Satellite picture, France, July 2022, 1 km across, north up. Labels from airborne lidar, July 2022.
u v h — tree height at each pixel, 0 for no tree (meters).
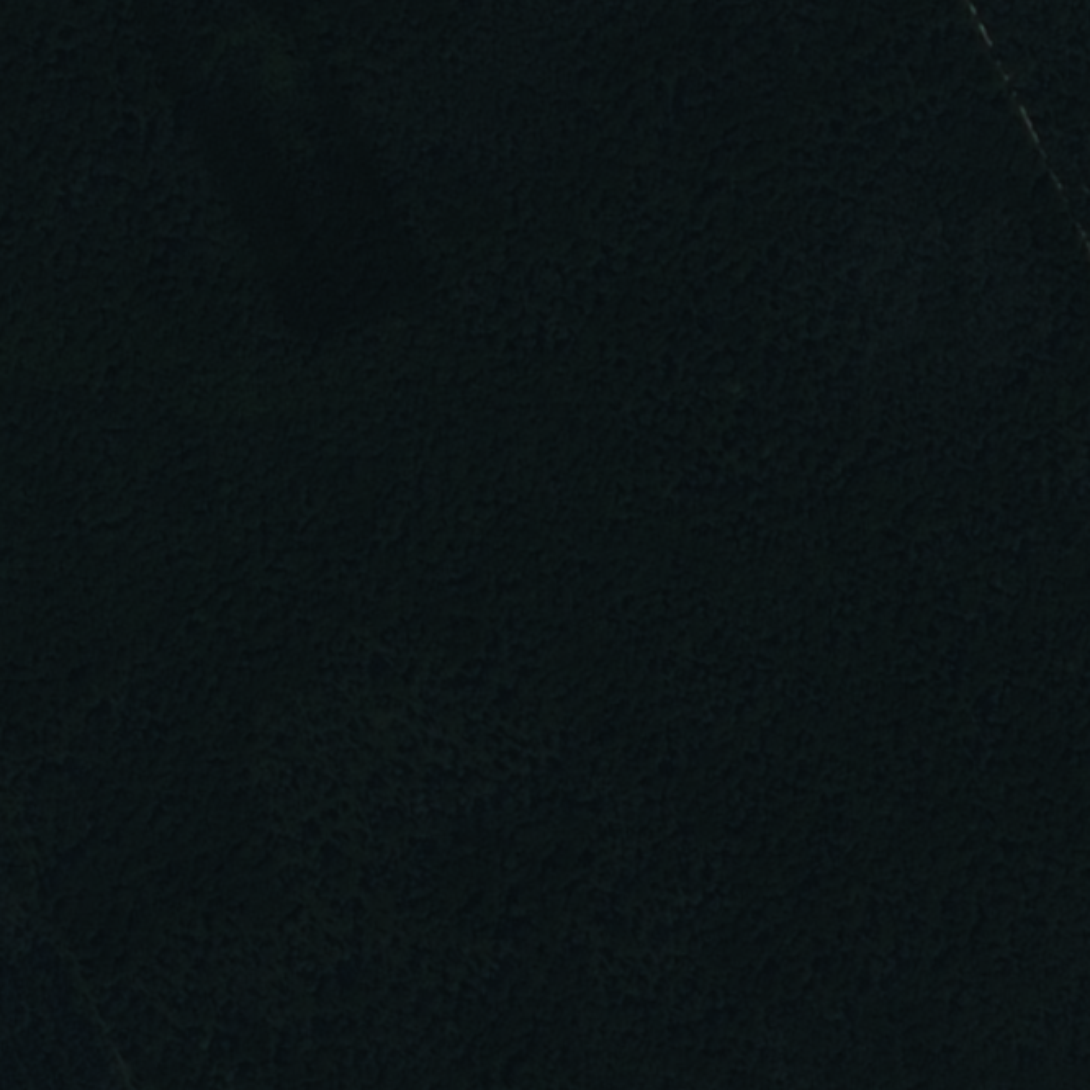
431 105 18
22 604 22
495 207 23
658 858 23
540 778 20
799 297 22
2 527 22
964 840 21
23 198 25
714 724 26
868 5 25
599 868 13
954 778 21
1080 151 28
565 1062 19
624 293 24
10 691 28
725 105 24
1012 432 19
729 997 22
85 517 24
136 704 23
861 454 21
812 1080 23
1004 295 21
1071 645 25
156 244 23
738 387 21
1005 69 21
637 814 17
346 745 16
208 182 28
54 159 19
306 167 10
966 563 28
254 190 21
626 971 17
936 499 26
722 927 25
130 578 25
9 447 20
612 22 26
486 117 16
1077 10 25
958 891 24
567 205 22
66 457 23
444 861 25
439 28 15
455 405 20
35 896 19
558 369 17
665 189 24
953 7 30
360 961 22
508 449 20
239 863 26
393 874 18
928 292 16
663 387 26
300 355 22
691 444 21
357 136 20
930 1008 24
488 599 24
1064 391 25
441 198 28
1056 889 20
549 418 25
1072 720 24
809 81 25
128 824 27
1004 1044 25
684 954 22
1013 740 26
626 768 24
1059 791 27
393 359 18
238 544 23
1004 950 22
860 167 19
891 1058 25
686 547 22
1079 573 25
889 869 23
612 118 23
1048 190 30
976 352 22
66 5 26
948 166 23
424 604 28
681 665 14
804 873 17
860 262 24
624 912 23
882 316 17
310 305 17
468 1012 23
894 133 19
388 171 13
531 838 29
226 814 27
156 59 15
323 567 23
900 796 27
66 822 22
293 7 19
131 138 28
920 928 26
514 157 21
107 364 14
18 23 20
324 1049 21
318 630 24
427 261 22
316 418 22
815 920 25
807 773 27
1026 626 26
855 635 16
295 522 23
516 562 24
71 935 23
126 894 25
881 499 26
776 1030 23
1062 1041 22
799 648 22
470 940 20
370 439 23
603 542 23
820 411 20
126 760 21
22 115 26
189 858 29
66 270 23
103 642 24
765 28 24
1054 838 22
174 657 23
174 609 26
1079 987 19
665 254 22
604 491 26
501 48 18
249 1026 24
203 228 19
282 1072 22
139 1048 26
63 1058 20
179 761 26
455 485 23
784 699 25
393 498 23
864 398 20
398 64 6
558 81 19
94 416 24
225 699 22
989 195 30
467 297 20
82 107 26
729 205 19
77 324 22
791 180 17
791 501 25
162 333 20
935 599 25
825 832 10
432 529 23
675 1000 11
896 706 25
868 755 26
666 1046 21
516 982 25
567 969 25
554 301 24
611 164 27
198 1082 16
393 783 22
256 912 25
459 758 22
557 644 26
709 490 25
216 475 16
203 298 22
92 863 27
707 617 22
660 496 26
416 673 16
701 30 19
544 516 25
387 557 24
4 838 23
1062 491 21
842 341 14
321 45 12
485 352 21
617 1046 15
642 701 23
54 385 20
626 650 23
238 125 15
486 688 25
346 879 23
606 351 24
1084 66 23
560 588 24
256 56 8
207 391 22
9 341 22
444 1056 27
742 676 12
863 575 24
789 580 21
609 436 28
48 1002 19
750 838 27
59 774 22
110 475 23
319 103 11
